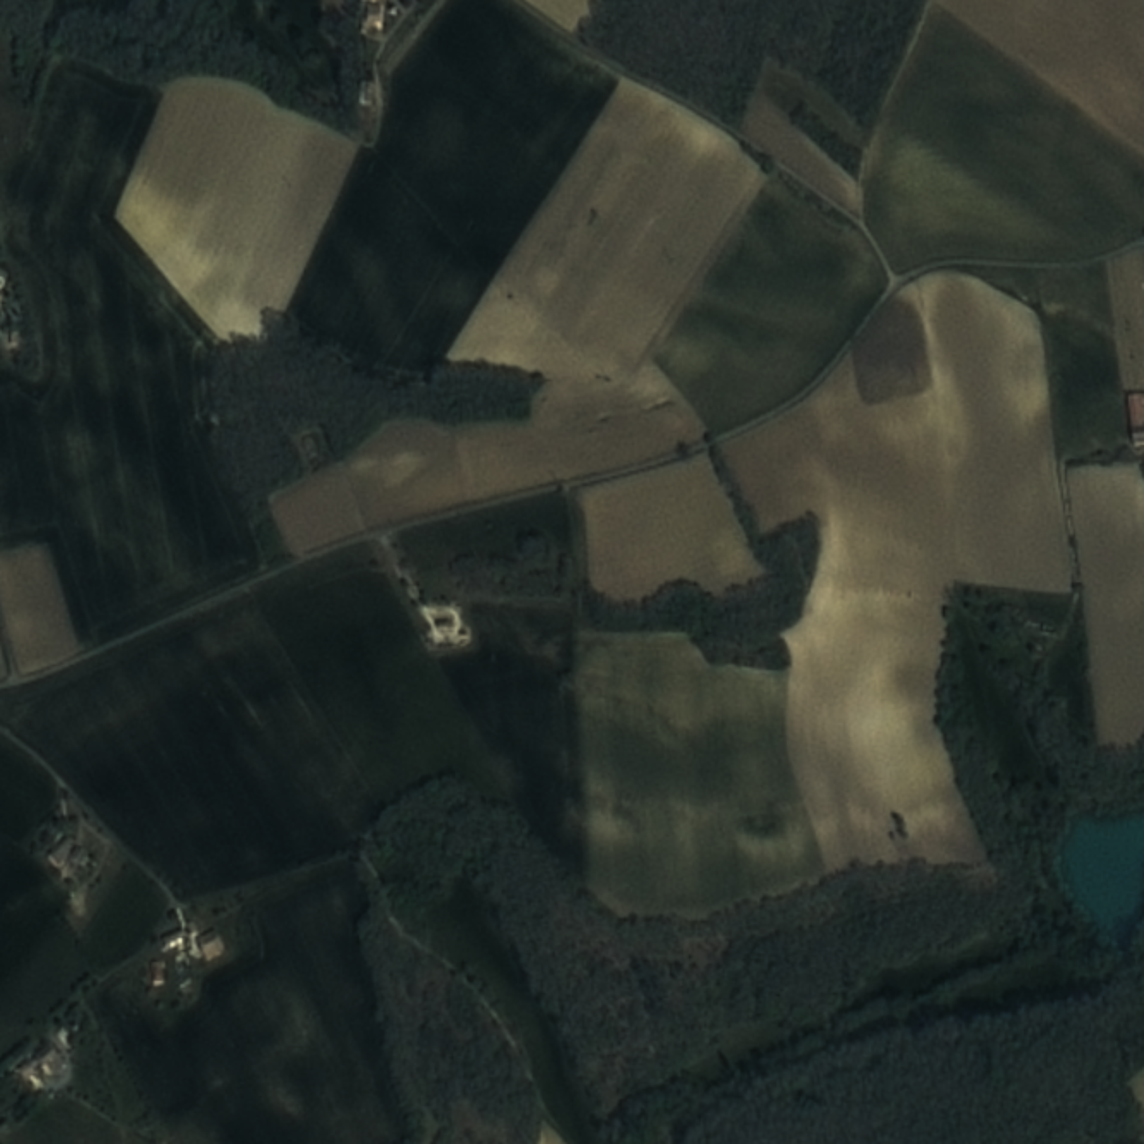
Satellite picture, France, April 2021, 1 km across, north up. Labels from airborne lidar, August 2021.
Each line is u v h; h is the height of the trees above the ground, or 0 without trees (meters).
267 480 16
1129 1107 13
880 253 0
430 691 0
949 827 0
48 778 0
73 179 0
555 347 0
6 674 0
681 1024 18
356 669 0
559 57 0
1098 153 0
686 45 16
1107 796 24
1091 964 29
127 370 0
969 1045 21
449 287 0
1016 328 0
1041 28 0
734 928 15
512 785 0
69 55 13
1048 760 15
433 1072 18
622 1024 10
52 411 0
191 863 0
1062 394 0
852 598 0
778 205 0
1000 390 0
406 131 0
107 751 0
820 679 0
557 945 16
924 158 0
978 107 0
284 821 0
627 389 0
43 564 0
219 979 0
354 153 0
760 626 15
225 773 0
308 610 0
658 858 0
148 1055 0
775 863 0
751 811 0
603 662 0
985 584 0
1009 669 13
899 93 0
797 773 0
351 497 0
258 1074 0
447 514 0
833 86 10
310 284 0
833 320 0
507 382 17
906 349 0
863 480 0
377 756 0
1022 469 0
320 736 0
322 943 0
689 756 0
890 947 24
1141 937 20
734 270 0
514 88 0
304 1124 0
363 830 0
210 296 0
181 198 0
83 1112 0
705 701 0
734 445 0
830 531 0
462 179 0
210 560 0
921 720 0
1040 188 0
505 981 0
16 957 0
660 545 0
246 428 12
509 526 0
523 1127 15
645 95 0
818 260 0
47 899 0
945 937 27
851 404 0
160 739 0
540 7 0
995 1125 21
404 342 0
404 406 16
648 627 12
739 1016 14
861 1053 25
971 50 0
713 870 0
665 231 0
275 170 0
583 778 0
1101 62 0
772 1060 12
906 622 0
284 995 0
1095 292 0
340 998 0
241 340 12
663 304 0
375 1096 0
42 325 0
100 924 0
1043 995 0
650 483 0
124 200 0
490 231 0
